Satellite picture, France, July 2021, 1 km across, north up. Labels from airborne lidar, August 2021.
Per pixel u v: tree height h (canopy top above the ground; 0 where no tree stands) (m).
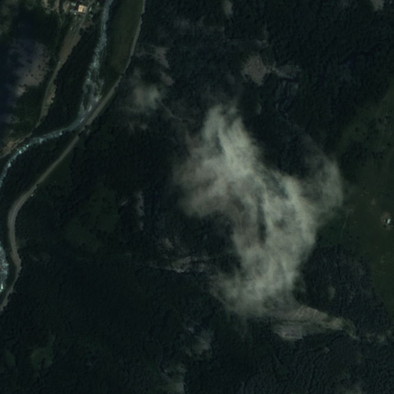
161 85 19
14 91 0
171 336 16
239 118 18
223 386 12
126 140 10
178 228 8
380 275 0
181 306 18
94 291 20
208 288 7
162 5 10
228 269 9
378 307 12
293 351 9
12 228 0
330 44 11
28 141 16
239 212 16
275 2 18
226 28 8
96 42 19
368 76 13
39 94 12
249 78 7
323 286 8
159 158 18
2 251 0
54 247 7
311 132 12
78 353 27
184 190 16
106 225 0
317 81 12
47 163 9
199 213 20
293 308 0
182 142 10
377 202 0
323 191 10
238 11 19
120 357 15
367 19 15
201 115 12
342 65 7
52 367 11
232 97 14
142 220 14
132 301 23
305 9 18
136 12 0
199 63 7
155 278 20
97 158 16
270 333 12
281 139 7
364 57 30
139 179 12
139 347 17
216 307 12
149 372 11
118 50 0
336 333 6
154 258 12
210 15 13
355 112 10
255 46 6
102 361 14
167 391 6
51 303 13
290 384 23
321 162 14
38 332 17
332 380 17
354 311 14
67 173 0
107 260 12
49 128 15
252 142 14
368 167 0
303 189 18
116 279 19
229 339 17
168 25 12
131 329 18
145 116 14
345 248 13
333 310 9
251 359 16
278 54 18
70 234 0
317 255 10
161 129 12
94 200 9
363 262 13
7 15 10
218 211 16
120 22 0
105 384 8
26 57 0
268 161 11
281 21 19
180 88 9
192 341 10
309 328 0
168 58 7
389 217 0
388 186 0
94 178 18
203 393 8
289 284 16
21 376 15
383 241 0
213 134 13
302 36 16
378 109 0
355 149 12
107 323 15
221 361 13
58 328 13
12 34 14
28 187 19
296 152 15
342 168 9
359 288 11
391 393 14
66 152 0
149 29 11
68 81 14
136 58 9
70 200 20
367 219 0
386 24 7
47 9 8
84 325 29
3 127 7
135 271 9
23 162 16
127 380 15
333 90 23
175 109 11
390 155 0
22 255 11
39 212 12
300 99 15
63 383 8
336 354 25
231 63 19
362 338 15
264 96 20
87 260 8
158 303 17
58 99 11
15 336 28
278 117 6
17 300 20
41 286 18
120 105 15
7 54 6
